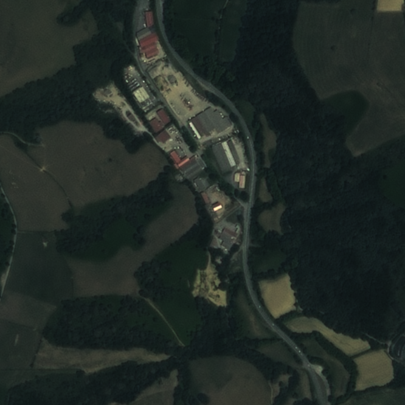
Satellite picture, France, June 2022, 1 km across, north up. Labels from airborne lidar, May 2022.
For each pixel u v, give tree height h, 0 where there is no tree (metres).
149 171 0
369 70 0
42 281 0
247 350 20
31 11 0
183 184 7
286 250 15
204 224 21
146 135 19
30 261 0
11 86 0
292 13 20
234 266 0
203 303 19
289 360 0
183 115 0
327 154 10
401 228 15
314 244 22
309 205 15
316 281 8
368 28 0
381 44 0
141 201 15
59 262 0
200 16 0
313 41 0
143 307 11
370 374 0
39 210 0
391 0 0
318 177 17
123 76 14
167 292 9
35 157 0
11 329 0
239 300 0
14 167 0
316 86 0
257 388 0
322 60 0
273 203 16
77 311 9
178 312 0
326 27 0
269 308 0
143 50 0
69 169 0
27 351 0
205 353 24
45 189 0
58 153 0
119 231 0
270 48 17
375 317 21
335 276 17
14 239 0
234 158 0
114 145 0
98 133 0
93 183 0
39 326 0
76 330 11
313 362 17
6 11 0
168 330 0
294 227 18
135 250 0
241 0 0
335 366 0
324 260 18
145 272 18
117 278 0
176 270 0
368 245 19
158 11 0
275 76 11
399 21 0
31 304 0
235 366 0
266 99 12
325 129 12
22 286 0
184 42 20
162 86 0
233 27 0
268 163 0
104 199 0
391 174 0
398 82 0
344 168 18
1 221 0
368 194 20
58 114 9
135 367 10
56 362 0
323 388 0
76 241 12
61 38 0
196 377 0
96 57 12
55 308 0
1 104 6
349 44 0
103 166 0
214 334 12
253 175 0
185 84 0
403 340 0
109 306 10
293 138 20
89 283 0
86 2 13
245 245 0
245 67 21
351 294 25
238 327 30
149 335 15
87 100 16
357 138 0
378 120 0
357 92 0
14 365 0
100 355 0
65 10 0
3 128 10
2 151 0
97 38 10
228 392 0
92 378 8
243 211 0
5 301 0
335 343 0
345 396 8
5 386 0
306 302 12
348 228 19
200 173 0
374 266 15
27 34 0
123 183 0
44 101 9
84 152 0
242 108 0
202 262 0
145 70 0
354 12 11
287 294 0
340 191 19
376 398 0
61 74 9
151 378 26
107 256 0
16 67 0
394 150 11
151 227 0
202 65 10
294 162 23
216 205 0
